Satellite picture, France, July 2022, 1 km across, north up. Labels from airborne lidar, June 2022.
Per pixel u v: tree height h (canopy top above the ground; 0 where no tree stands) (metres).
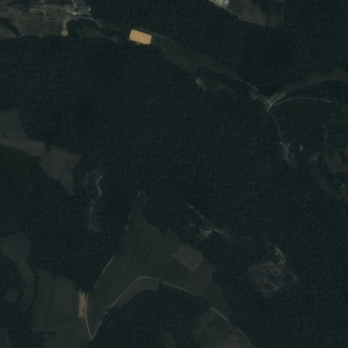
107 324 20
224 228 22
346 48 24
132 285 0
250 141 23
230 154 26
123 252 0
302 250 33
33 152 0
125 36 19
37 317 0
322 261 20
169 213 20
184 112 25
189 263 0
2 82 23
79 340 0
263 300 26
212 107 27
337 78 0
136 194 15
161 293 19
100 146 23
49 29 0
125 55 20
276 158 33
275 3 17
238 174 28
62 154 0
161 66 20
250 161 28
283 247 21
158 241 0
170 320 25
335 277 26
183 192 21
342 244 13
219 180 26
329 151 0
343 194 0
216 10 22
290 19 19
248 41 17
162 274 0
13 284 16
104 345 26
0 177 7
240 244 27
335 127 8
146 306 24
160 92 25
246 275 29
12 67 24
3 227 25
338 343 19
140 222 0
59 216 29
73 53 26
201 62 0
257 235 26
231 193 27
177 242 0
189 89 29
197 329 0
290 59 22
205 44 23
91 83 24
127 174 21
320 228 26
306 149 18
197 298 19
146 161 21
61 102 18
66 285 0
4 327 21
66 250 8
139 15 13
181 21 30
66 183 0
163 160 19
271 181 30
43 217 25
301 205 27
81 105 25
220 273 17
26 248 0
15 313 16
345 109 0
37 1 0
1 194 21
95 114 21
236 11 0
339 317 24
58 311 0
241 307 23
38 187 9
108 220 27
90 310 0
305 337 31
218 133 31
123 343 24
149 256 0
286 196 26
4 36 0
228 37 29
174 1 28
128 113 25
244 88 11
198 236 25
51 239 19
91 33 0
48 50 29
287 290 10
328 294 10
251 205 12
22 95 21
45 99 17
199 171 19
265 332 28
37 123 26
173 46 0
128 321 27
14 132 0
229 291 16
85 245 23
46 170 0
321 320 29
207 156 30
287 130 13
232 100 23
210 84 0
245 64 13
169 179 23
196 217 31
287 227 28
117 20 23
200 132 17
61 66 6
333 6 12
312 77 0
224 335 0
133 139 22
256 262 28
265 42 25
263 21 0
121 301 0
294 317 23
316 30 22
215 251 25
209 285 0
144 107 20
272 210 26
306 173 22
